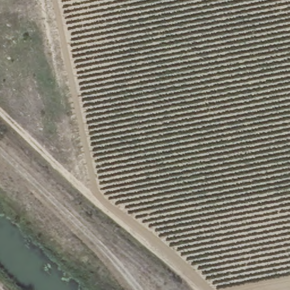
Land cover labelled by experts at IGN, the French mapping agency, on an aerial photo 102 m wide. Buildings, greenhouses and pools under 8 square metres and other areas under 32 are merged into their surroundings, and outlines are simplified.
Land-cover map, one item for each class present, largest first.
<instances>
[{"label":"vineyard","instance_id":"1","mask_svg":"<svg viewBox=\"0 0 290 290\"><path fill-rule=\"evenodd\" d=\"M60 11L63 10L65 14L71 12V15L66 17L69 18L67 27L71 33L72 58L75 60L80 93L86 110L96 170L100 176L96 180L97 187L102 190L119 187L117 190L106 191L105 195L111 199L112 205H125L135 221L140 217L159 214L143 222H148V227H154L155 231L165 230L159 236L165 237L170 246H177L174 251L182 261L197 265L198 270L205 274V278L212 280L216 289H220L290 276V0H58Z\"/></svg>","mask_w":290,"mask_h":290},{"label":"herbaceous vegetation","instance_id":"2","mask_svg":"<svg viewBox=\"0 0 290 290\"><path fill-rule=\"evenodd\" d=\"M43 17L41 5L37 0H0V111H6L69 172L75 168V164L69 160L72 148H76L75 156L82 154L79 128L77 122L71 118V105L67 96L69 88L67 85L59 86L52 72V54L49 41L44 37L45 26L41 25ZM14 148L20 159L27 162L36 172L42 173L49 185L56 188L63 197L62 206L70 212L77 211L93 225L101 234L104 244L121 259L144 290H193L159 257L140 244L99 207L88 201L22 136L0 118V143ZM29 182L0 157V216L15 224L24 238L31 240L50 261L58 265L63 273L62 281L74 280L82 290H133L92 240L84 237L83 232H72L33 195L32 191H29Z\"/></svg>","mask_w":290,"mask_h":290},{"label":"pervious surface","instance_id":"3","mask_svg":"<svg viewBox=\"0 0 290 290\"><path fill-rule=\"evenodd\" d=\"M41 5L43 17L41 25L45 26L44 37L49 41L52 54V72L59 86L67 85L69 88L67 96L71 105V118L77 122L79 128L82 154L75 156L76 148H72L69 160L75 164V168L69 172L6 111H0V118L22 136L88 201L99 207L140 244L159 257L193 290H220V289H216L212 280L205 278V274L198 270L197 265L182 261L174 251L177 246H170L165 237L159 236L165 230L155 231L154 227H148V222H143L159 214L140 217L135 221L125 205H112L111 199L105 195L106 191L117 190L119 187L102 190L97 187L96 180L100 176L96 170L86 110L80 93L75 60L72 58L71 33L67 27L69 18L66 17L71 15V12L65 14L63 10L60 11L58 0H37ZM0 157L29 182V191H32L33 195L72 232H83L84 237L92 240L133 290H144L121 259L104 244L101 234L93 225L77 211L70 212L62 206L63 197L56 188L49 185L42 173L36 172L27 162L20 159L14 148L0 143Z\"/></svg>","mask_w":290,"mask_h":290},{"label":"water","instance_id":"4","mask_svg":"<svg viewBox=\"0 0 290 290\"><path fill-rule=\"evenodd\" d=\"M63 273L58 265L50 261L31 240L24 238L15 224L0 216V290H82L74 280L62 281Z\"/></svg>","mask_w":290,"mask_h":290},{"label":"plowed land","instance_id":"5","mask_svg":"<svg viewBox=\"0 0 290 290\"><path fill-rule=\"evenodd\" d=\"M220 290H290V276L220 289Z\"/></svg>","mask_w":290,"mask_h":290}]
</instances>
